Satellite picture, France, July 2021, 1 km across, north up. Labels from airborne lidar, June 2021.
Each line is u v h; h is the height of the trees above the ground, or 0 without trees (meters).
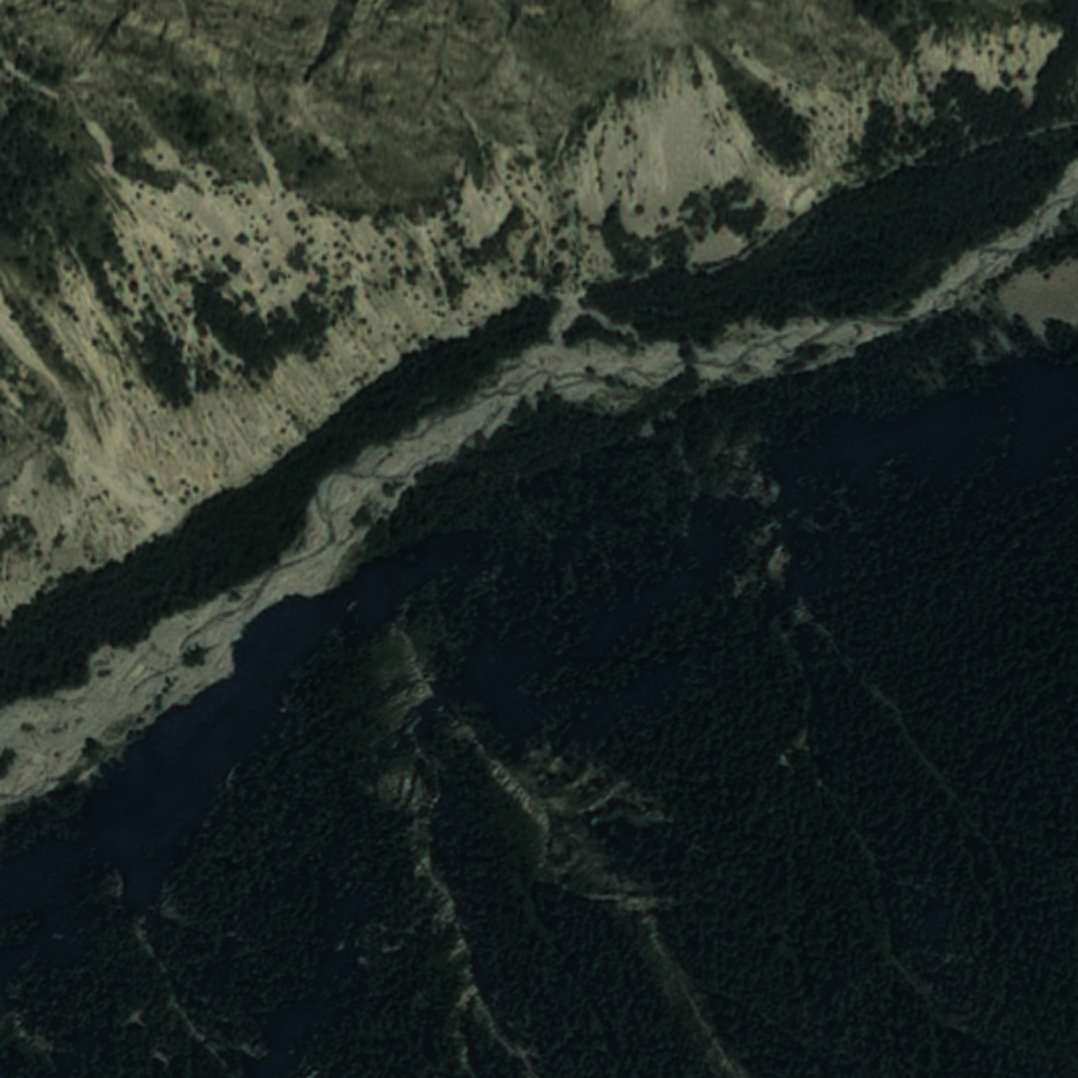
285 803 10
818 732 12
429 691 0
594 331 7
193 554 7
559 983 20
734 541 15
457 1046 13
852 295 11
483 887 21
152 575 7
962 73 8
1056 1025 22
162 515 0
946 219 8
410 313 0
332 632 8
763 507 12
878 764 16
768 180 0
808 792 12
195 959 16
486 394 0
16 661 10
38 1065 13
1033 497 30
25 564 0
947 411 12
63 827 19
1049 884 15
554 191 0
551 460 13
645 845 23
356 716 7
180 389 12
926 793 14
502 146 0
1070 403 22
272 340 12
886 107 7
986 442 8
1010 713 16
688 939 6
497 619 6
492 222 0
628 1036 17
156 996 17
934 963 23
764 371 0
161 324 6
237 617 0
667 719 18
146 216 0
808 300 9
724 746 20
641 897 0
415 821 0
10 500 0
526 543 7
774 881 22
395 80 0
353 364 0
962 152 7
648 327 8
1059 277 0
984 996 7
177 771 13
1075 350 19
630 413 6
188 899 8
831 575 14
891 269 11
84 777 0
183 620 0
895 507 24
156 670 0
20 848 12
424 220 0
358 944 8
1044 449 21
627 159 0
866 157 6
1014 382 9
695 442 8
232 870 22
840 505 23
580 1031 12
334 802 15
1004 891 19
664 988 17
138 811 11
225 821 17
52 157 14
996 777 20
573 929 22
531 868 8
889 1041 15
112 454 0
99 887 9
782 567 0
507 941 20
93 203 8
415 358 12
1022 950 22
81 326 0
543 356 0
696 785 13
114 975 18
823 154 0
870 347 8
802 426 24
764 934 14
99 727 0
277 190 0
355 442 9
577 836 0
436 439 0
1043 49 0
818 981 18
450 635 7
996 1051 10
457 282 7
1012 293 0
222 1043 7
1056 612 11
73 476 0
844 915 19
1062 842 20
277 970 14
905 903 19
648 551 11
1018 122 14
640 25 0
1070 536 15
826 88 0
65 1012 13
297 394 0
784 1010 17
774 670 13
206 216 0
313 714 10
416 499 13
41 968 9
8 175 14
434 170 0
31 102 12
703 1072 20
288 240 0
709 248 0
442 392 8
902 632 17
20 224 14
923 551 20
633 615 11
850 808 11
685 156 0
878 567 26
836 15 0
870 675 11
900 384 9
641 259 6
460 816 16
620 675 20
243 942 13
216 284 8
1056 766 17
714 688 11
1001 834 20
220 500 10
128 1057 13
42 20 0
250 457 0
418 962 12
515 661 13
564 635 30
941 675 15
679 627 18
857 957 20
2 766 6
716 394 11
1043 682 16
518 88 0
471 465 7
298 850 16
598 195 0
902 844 17
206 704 0
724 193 6
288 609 0
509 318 9
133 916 16
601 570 25
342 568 0
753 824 15
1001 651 24
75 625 12
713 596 23
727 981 12
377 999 16
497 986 13
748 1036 18
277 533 6
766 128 10
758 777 13
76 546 0
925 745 14
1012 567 21
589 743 8
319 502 0
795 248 8
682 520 9
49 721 0
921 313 0
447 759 7
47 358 0
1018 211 9
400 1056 17
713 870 14
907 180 10
